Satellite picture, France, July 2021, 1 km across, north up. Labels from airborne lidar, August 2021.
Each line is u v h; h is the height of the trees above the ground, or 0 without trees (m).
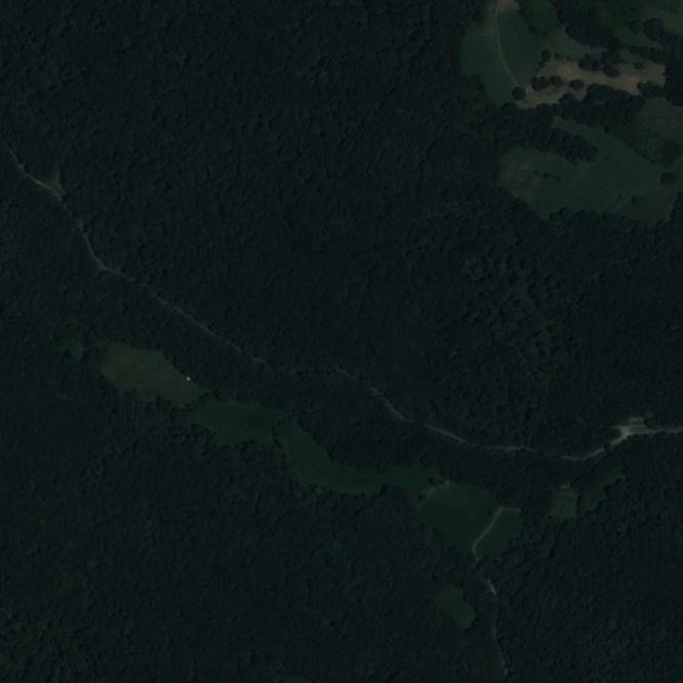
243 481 28
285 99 30
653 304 20
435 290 28
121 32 26
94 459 25
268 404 26
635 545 23
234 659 26
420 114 11
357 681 27
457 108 9
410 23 12
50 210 29
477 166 23
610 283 25
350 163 26
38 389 28
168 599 27
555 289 19
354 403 28
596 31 15
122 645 25
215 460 24
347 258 30
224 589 22
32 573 27
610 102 20
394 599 29
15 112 26
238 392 27
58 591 25
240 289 25
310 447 0
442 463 18
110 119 25
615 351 24
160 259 22
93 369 29
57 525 26
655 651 21
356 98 34
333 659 30
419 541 29
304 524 31
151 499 21
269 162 31
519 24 0
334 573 27
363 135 25
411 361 24
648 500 27
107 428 27
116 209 29
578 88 20
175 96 28
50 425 25
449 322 27
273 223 24
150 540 26
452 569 24
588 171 0
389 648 26
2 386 28
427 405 25
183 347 28
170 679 27
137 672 26
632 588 22
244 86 28
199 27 24
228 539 23
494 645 25
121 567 27
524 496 13
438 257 31
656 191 0
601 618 23
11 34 29
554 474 18
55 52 26
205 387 24
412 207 27
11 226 28
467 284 28
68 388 31
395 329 30
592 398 23
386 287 30
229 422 0
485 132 20
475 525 0
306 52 34
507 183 0
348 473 0
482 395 20
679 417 20
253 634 28
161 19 28
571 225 18
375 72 34
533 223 25
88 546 24
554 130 9
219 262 21
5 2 27
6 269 25
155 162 26
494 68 0
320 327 29
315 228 31
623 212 0
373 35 28
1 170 27
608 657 17
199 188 27
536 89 14
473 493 0
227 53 29
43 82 28
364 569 29
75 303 24
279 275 26
